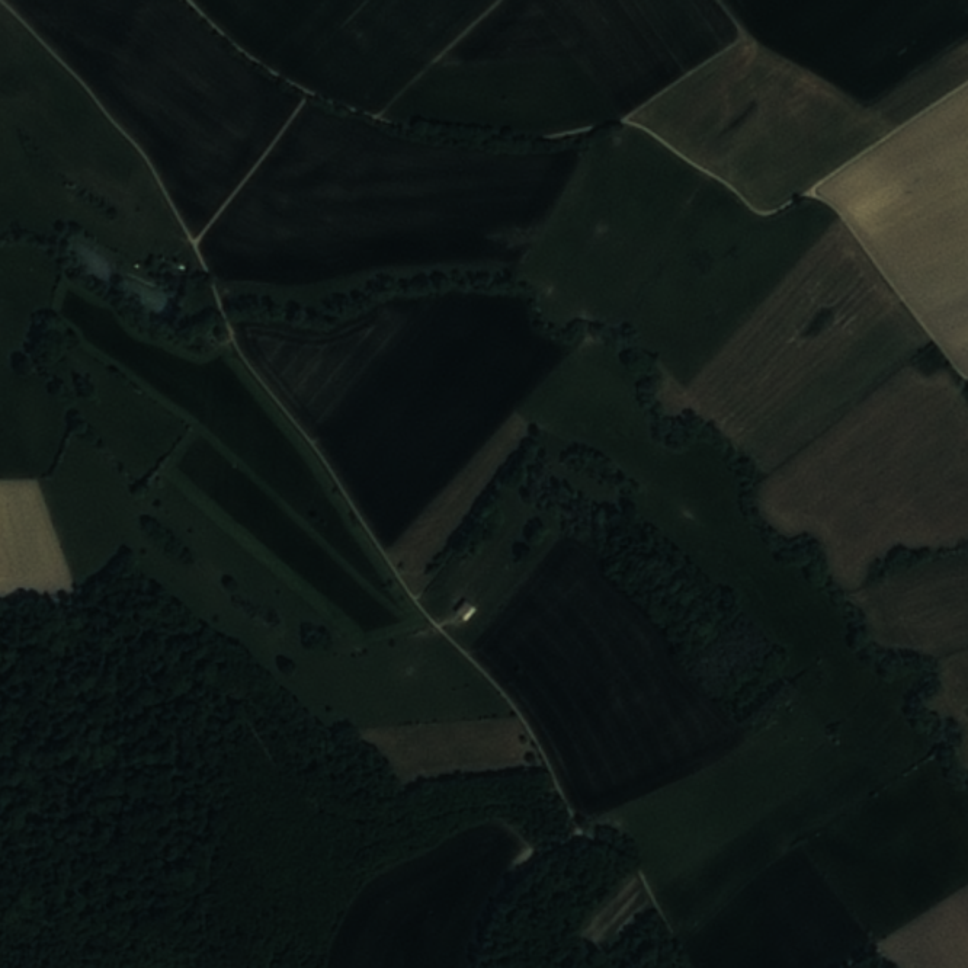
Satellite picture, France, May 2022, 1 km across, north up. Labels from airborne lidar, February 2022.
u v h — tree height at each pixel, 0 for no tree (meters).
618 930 0
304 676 0
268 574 0
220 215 0
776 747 0
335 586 0
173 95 0
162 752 24
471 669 0
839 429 0
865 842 0
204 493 0
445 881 0
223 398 0
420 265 0
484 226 0
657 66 0
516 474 19
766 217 0
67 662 19
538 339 0
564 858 19
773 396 0
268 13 0
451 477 0
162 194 0
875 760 0
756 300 0
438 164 0
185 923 26
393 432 0
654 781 0
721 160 0
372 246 0
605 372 0
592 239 0
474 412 0
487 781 12
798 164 0
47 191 0
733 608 18
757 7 0
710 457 0
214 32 8
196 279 11
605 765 0
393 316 0
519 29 0
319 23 0
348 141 0
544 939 21
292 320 18
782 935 0
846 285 0
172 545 15
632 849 12
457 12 0
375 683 0
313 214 0
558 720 0
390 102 0
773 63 0
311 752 20
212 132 0
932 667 15
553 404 0
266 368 0
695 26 0
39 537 0
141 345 0
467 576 0
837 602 15
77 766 26
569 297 0
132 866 24
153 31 0
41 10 0
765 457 0
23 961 18
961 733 13
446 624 0
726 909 0
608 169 0
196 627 14
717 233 0
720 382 0
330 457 0
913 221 0
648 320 0
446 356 0
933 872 0
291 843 11
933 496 0
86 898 24
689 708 0
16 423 0
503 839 0
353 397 0
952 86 0
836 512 0
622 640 0
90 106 0
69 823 23
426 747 0
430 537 0
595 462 15
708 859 0
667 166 0
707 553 0
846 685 0
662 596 17
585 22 0
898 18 0
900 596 0
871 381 0
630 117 0
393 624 0
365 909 0
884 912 0
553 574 0
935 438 0
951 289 0
